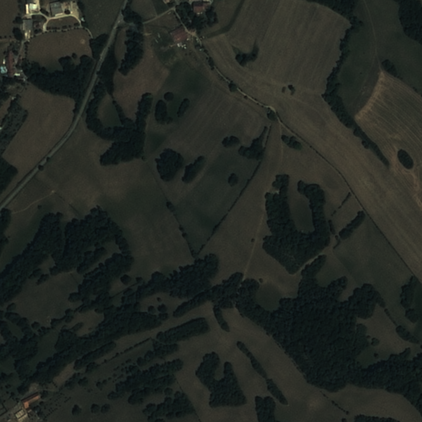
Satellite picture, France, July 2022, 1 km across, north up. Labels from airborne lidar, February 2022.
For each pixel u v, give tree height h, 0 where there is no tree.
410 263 0
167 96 14
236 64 0
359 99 0
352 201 0
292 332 12
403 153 6
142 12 0
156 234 0
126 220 0
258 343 0
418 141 0
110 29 0
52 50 0
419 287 0
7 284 25
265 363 0
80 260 16
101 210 18
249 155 13
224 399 12
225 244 0
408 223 0
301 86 0
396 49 0
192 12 15
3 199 0
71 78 11
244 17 0
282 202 22
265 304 0
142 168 0
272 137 0
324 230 22
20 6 9
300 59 0
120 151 16
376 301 15
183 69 0
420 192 0
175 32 0
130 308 24
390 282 0
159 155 0
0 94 10
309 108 0
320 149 0
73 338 12
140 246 0
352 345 9
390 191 0
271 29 0
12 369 0
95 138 0
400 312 0
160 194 0
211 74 0
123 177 0
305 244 22
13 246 0
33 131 0
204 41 0
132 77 0
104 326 15
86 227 23
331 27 0
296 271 6
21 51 0
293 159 0
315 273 16
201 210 0
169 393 13
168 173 13
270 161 0
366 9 0
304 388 0
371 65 0
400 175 0
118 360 0
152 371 16
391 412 0
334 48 0
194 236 0
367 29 0
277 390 9
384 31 0
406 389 17
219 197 0
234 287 8
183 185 0
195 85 0
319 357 12
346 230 12
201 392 0
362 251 0
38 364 0
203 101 0
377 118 0
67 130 0
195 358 0
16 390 0
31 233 0
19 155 0
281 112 0
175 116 0
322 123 0
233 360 0
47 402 0
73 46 0
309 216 0
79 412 15
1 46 0
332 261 0
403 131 0
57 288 0
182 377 0
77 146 0
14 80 10
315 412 0
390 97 0
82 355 6
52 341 0
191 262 0
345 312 20
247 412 0
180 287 22
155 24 0
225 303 11
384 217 0
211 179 0
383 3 0
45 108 0
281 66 0
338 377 9
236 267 0
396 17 0
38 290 0
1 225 24
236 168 0
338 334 19
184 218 0
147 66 0
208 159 0
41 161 0
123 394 12
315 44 0
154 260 0
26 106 0
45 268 0
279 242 17
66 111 0
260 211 0
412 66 0
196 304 11
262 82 0
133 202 0
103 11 0
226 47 0
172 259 0
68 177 0
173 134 0
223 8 0
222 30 0
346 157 0
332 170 0
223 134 0
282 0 0
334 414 0
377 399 0
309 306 26
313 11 0
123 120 17
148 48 0
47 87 19
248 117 0
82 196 0
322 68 0
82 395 0
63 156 0
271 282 0
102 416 0
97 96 17
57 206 0
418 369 18
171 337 13
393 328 0
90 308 14
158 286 21
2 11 0
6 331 22
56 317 0
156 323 17
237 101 0
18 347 25
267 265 0
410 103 0
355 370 28
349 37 14
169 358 0
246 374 0
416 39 11
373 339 7
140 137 21
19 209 0
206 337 0
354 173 0
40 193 0
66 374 0
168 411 9
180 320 0
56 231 21
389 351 0
